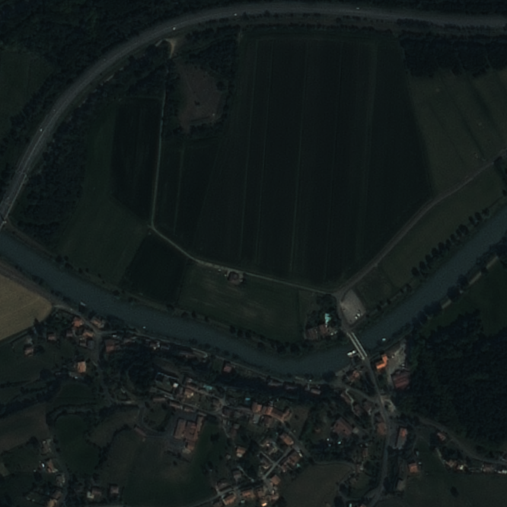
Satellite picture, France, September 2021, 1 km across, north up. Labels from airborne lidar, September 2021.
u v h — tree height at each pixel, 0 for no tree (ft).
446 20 0
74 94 0
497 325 0
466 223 0
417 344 75
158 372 41
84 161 25
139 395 27
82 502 50
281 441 24
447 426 94
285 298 0
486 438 85
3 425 0
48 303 0
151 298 0
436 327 0
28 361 0
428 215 0
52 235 32
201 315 0
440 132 0
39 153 0
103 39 28
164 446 0
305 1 42
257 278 0
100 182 0
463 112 0
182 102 0
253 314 0
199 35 31
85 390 0
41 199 37
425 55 66
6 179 51
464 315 0
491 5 54
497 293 0
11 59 0
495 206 0
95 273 0
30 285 0
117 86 27
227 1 37
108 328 61
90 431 22
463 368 78
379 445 23
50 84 52
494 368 56
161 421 0
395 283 0
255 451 22
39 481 59
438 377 64
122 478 0
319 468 0
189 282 0
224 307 0
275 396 30
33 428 0
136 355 37
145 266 0
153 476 0
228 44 31
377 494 0
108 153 0
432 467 0
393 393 60
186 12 43
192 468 0
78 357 41
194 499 0
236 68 36
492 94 0
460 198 0
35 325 0
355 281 0
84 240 0
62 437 0
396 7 34
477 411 70
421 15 0
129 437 0
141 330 0
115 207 0
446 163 0
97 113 20
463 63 61
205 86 0
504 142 0
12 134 34
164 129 32
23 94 0
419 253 0
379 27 0
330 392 56
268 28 22
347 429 0
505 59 67
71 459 0
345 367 0
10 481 0
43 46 35
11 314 0
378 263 0
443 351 95
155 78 50
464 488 0
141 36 0
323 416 0
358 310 0
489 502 0
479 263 27
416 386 63
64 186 33
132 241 0
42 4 65
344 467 0
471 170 0
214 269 0
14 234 18
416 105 0
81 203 0
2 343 0
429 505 0
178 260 0
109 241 0
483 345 103
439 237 0
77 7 58
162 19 37
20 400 0
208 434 0
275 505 26
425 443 0
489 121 0
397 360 0
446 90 0
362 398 0
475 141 0
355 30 24
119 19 36
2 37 55
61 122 0
